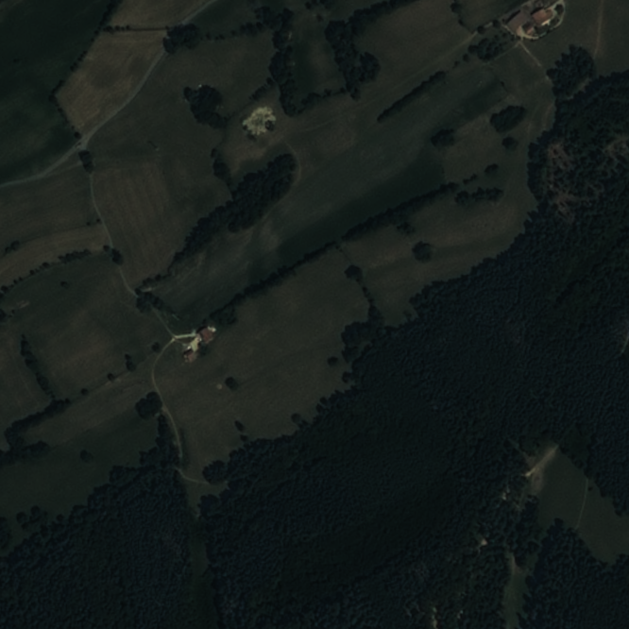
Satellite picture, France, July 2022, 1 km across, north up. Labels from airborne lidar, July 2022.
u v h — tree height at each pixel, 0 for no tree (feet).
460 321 59
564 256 61
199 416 0
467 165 0
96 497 39
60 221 0
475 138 0
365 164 0
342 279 0
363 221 0
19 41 0
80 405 0
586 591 62
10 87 0
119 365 0
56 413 54
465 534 71
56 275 0
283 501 75
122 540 73
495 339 62
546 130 0
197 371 0
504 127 40
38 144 0
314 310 0
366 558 42
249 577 95
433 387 55
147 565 64
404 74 0
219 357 0
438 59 0
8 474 0
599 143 34
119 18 0
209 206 0
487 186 0
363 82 80
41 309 0
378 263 0
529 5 0
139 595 74
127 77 0
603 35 0
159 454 50
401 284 0
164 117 0
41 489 0
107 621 76
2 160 0
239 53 0
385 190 0
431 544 54
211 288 0
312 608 25
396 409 40
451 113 0
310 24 0
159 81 0
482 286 68
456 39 0
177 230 0
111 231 0
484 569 89
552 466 0
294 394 0
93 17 0
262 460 68
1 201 0
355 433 28
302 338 0
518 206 0
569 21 0
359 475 34
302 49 0
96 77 0
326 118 0
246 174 0
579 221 47
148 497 82
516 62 0
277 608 24
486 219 0
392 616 46
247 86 0
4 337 0
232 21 0
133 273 0
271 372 0
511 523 102
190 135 0
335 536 52
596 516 0
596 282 37
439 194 48
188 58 0
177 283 0
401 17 0
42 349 0
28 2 0
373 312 44
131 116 0
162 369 0
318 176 0
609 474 70
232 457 37
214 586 19
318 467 75
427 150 0
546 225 67
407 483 33
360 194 0
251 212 63
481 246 0
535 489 0
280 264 0
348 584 22
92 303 0
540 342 78
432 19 0
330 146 0
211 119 98
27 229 0
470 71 0
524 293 74
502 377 54
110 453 0
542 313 68
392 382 45
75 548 80
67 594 87
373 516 22
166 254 0
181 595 76
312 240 0
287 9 0
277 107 0
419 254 67
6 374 0
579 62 57
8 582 65
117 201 0
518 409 66
